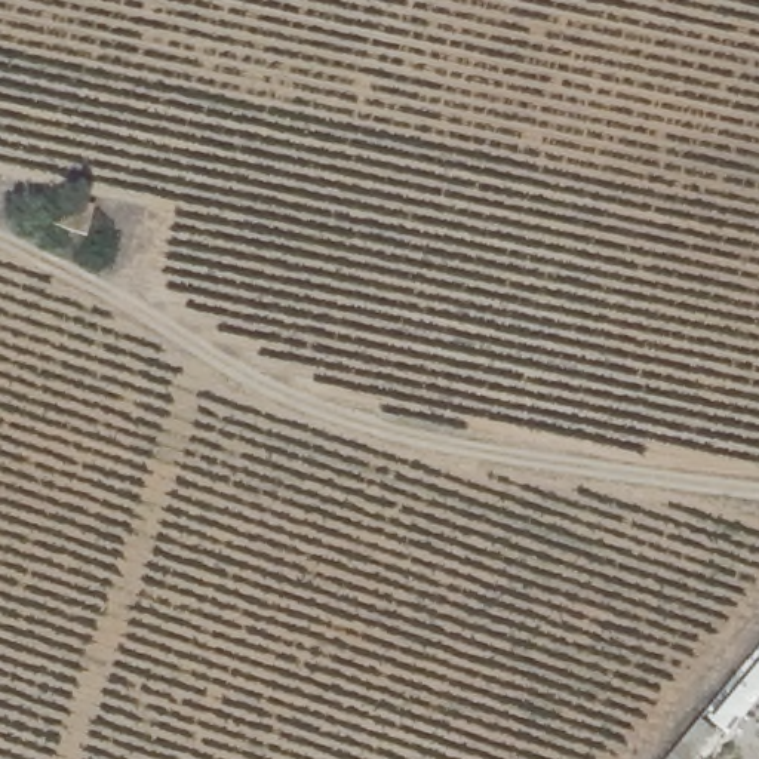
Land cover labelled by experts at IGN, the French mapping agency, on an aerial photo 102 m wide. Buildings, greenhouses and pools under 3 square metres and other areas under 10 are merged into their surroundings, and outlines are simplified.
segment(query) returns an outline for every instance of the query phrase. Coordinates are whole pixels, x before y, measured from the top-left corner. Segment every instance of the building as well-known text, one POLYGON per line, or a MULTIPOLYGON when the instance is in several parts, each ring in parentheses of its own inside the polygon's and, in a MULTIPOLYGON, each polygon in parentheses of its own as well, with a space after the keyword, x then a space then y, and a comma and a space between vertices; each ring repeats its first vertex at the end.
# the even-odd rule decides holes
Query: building
POLYGON ((33 240, 39 249, 71 258, 80 252, 80 240, 92 228, 92 208, 83 205, 80 213, 65 216, 59 222, 50 213, 36 213, 18 216, 9 225, 18 237, 33 240))

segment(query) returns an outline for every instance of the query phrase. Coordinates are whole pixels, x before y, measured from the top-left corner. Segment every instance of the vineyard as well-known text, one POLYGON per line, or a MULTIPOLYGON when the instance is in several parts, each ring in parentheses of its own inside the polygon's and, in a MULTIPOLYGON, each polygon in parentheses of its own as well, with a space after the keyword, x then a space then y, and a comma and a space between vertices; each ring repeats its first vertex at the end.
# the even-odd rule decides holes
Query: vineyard
POLYGON ((587 747, 605 750, 608 741, 623 744, 623 732, 614 732, 614 726, 632 729, 643 717, 643 706, 658 703, 661 685, 673 679, 664 670, 664 664, 682 667, 679 658, 661 655, 661 646, 694 655, 697 637, 703 632, 715 634, 726 620, 720 605, 738 602, 738 596, 744 593, 744 581, 759 587, 759 522, 741 525, 679 501, 667 501, 658 510, 652 510, 634 501, 596 492, 590 486, 578 486, 569 495, 560 495, 534 483, 513 480, 498 471, 486 471, 486 480, 477 483, 463 474, 436 468, 430 463, 397 457, 391 451, 329 433, 305 421, 282 418, 276 412, 222 397, 216 391, 196 391, 193 385, 181 385, 175 380, 181 374, 181 365, 163 362, 160 341, 148 341, 142 335, 130 335, 113 326, 98 326, 98 317, 113 317, 110 308, 86 305, 80 299, 44 291, 42 282, 50 282, 50 273, 0 258, 0 759, 596 759, 593 753, 587 753, 587 747))
POLYGON ((6 222, 6 193, 21 181, 62 184, 62 178, 68 178, 71 184, 86 181, 92 187, 107 184, 175 202, 175 222, 163 270, 166 288, 184 294, 187 308, 216 314, 219 332, 255 338, 264 359, 308 365, 314 368, 314 382, 359 394, 377 394, 385 415, 427 421, 451 430, 463 430, 474 415, 486 421, 584 439, 634 454, 643 454, 646 442, 661 442, 759 465, 759 0, 0 0, 0 225, 6 222))

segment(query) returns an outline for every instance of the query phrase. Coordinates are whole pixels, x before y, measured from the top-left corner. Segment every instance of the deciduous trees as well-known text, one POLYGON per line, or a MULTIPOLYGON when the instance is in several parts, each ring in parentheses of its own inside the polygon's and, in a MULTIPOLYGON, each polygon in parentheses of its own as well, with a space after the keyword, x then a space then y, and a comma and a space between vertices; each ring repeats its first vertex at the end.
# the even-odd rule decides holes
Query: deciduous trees
POLYGON ((83 205, 92 208, 92 228, 80 240, 80 252, 71 258, 74 264, 92 273, 104 273, 116 264, 119 255, 119 228, 113 225, 110 213, 104 211, 104 202, 92 193, 92 187, 86 181, 71 184, 68 178, 62 178, 62 184, 21 181, 6 193, 6 222, 9 225, 18 216, 36 213, 50 213, 59 222, 65 216, 80 213, 83 205))

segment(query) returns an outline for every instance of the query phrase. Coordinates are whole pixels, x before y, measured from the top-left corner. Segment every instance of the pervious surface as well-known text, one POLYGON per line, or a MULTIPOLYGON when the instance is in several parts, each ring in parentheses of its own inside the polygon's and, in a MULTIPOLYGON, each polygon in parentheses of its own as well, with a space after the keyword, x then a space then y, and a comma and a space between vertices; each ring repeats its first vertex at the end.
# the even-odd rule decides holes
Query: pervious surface
POLYGON ((614 732, 623 732, 623 744, 608 741, 605 750, 587 747, 587 753, 593 753, 596 759, 759 759, 759 587, 744 581, 744 593, 738 596, 738 602, 720 605, 726 620, 715 634, 703 632, 697 637, 694 655, 661 646, 661 655, 679 658, 682 667, 664 664, 664 670, 673 679, 661 685, 658 703, 643 706, 643 717, 632 729, 614 726, 614 732))
POLYGON ((308 365, 264 359, 255 338, 219 332, 216 314, 187 308, 184 294, 166 288, 163 270, 175 222, 175 202, 107 184, 92 187, 92 193, 104 202, 104 211, 110 213, 113 225, 119 228, 119 255, 116 264, 104 273, 92 273, 74 264, 71 258, 39 249, 33 240, 18 237, 9 225, 6 222, 0 225, 0 258, 50 273, 50 282, 42 282, 44 291, 80 299, 86 305, 110 308, 113 317, 98 317, 98 326, 113 326, 130 335, 142 335, 148 341, 160 341, 163 362, 181 365, 181 374, 175 380, 181 385, 193 385, 196 391, 216 391, 222 397, 276 412, 282 418, 305 421, 329 433, 391 451, 397 457, 430 463, 436 468, 463 474, 477 483, 486 480, 486 471, 498 471, 513 480, 534 483, 560 495, 569 495, 578 486, 590 486, 596 492, 634 501, 652 510, 658 510, 667 501, 679 501, 741 525, 759 522, 759 465, 661 442, 646 442, 643 454, 634 454, 584 439, 486 421, 474 415, 463 430, 451 430, 427 421, 385 415, 377 394, 359 394, 314 382, 314 368, 308 365))

